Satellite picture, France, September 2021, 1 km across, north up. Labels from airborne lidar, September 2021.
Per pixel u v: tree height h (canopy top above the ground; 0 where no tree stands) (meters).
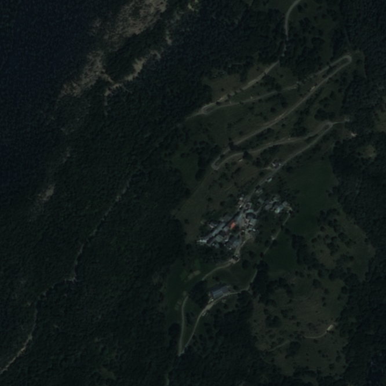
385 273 17
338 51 23
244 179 0
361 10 18
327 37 0
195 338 12
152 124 21
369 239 9
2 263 13
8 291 15
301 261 15
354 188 15
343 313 12
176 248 19
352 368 19
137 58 9
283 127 11
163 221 19
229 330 24
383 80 17
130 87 21
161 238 23
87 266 20
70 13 20
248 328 9
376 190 16
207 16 26
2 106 18
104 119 24
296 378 15
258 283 22
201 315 0
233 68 11
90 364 25
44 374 25
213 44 31
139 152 23
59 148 14
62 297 22
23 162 13
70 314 16
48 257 15
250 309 8
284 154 0
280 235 0
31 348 17
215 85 0
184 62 39
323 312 0
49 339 19
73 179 24
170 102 27
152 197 17
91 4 10
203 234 6
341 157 23
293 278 0
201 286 17
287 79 0
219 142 0
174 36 14
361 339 16
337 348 0
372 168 20
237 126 0
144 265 19
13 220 12
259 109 0
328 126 0
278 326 13
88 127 20
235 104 0
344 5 16
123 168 20
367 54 16
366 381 19
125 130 23
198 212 0
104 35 9
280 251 0
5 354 16
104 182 17
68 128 9
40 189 15
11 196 16
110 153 19
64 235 20
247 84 0
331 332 10
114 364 16
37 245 14
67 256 15
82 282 17
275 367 11
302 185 0
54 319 22
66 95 6
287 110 0
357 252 0
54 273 14
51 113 8
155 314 24
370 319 23
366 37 16
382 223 25
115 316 28
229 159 0
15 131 12
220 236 0
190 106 22
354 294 25
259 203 8
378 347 24
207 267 0
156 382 22
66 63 10
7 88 13
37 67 20
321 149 9
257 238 6
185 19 12
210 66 16
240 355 25
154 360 24
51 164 7
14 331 18
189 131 7
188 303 0
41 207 8
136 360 19
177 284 0
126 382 19
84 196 19
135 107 20
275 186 0
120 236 18
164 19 10
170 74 22
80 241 14
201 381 22
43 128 10
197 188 0
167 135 6
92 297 11
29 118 11
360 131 13
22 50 19
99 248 16
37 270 18
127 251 15
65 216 17
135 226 15
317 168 0
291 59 12
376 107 11
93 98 14
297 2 0
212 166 0
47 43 22
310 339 0
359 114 25
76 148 17
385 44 22
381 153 10
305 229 0
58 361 23
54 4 20
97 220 14
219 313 17
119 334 20
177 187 18
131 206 20
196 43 21
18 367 15
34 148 14
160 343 26
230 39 20
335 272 15
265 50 15
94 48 12
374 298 15
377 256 12
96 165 14
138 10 6
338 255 0
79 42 9
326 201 0
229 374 10
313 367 0
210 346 0
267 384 6
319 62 10
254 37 22
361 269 0
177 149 18
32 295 16
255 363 12
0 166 22
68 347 26
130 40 17
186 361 26
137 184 23
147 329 21
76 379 28
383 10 19
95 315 9
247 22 17
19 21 13
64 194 16
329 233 0
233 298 0
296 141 0
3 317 20
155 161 24
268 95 0
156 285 6
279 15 21
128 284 9
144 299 15
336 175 11
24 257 14
